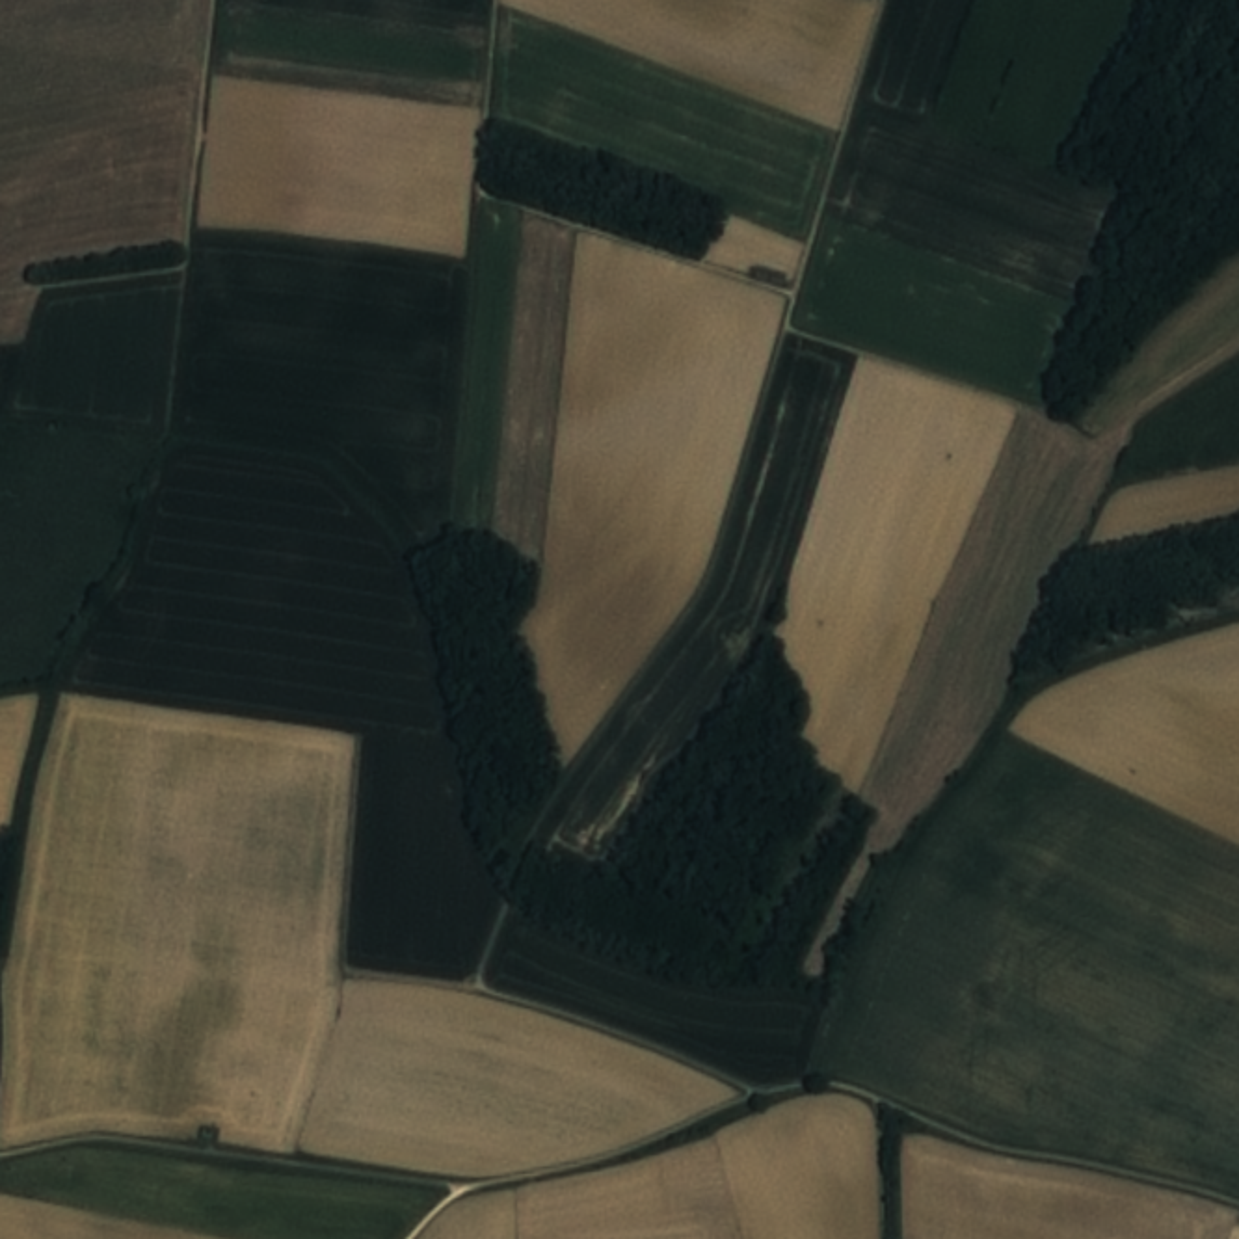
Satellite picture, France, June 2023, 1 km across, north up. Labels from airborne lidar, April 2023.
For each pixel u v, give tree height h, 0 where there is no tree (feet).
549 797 62
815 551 0
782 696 44
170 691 0
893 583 0
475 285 0
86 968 0
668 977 71
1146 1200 0
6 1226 0
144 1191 0
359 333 0
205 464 0
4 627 0
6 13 0
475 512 0
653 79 0
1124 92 80
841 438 0
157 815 0
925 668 0
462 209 0
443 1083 0
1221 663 0
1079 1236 0
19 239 0
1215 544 75
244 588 0
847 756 0
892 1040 0
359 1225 0
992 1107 0
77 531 0
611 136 0
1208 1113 0
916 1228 0
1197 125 97
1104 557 70
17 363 0
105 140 0
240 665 0
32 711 0
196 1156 0
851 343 0
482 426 0
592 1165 0
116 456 0
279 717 0
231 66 0
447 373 0
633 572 0
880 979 0
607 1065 0
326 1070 0
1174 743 0
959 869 0
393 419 0
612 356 0
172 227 0
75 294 0
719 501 0
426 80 0
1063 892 0
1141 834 0
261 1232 0
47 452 0
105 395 0
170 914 0
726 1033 0
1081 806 0
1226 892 0
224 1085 0
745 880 96
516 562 62
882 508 0
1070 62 0
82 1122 0
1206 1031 0
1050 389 67
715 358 0
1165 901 0
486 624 88
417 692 0
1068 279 0
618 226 74
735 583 0
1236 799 0
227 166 0
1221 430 0
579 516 0
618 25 0
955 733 0
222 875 0
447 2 0
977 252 0
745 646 0
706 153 0
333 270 0
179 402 0
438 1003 0
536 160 61
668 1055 0
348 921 0
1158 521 0
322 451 0
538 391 0
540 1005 0
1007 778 0
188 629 0
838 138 0
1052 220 0
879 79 0
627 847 64
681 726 0
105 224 0
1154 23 74
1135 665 0
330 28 0
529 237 0
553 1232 0
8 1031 0
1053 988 0
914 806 0
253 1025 0
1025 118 0
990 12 0
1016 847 0
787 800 97
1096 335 99
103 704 0
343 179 0
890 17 0
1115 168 74
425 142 0
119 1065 0
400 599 0
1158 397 0
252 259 0
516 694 71
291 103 0
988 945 0
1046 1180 0
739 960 0
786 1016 0
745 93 0
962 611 0
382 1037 0
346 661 0
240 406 0
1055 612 52
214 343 0
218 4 0
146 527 0
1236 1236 0
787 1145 0
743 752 48
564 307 0
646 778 0
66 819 0
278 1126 0
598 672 0
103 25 0
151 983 0
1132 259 95
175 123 0
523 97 0
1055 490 0
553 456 0
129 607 0
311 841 0
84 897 0
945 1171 0
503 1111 0
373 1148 0
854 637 0
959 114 0
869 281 0
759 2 0
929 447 0
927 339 0
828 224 0
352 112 0
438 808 0
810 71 0
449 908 0
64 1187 0
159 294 0
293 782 0
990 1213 0
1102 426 0
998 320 0
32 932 0
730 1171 0
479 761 61
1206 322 0
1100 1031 0
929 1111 0
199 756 0
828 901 31
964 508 0
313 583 0
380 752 0
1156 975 0
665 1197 0
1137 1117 0
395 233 0
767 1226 0
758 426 0
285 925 0
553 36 0
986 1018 0
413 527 0
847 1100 0
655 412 0
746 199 0
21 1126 0
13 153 0
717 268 0
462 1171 0
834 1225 0
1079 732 0
